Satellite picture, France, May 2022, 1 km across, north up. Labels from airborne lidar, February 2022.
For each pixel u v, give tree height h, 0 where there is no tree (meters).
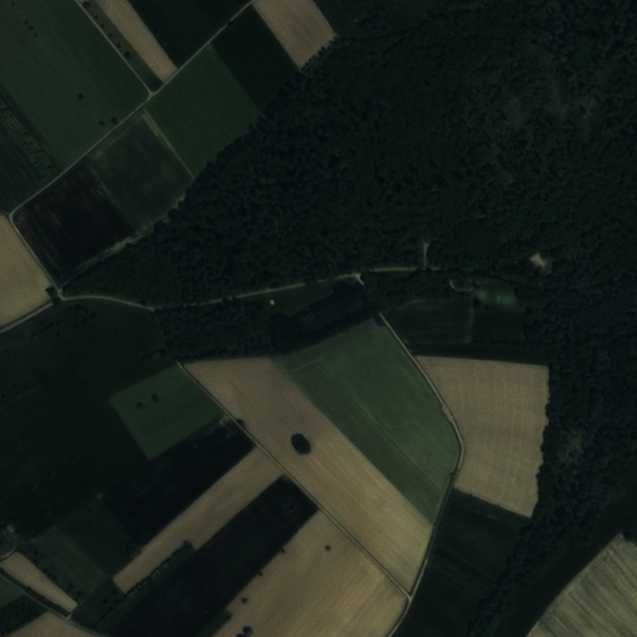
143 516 0
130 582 0
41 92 0
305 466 0
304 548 0
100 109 0
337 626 0
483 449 0
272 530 0
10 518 0
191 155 0
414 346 0
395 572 0
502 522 0
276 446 0
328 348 0
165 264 15
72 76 0
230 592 0
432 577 0
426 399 0
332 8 15
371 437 0
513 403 0
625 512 0
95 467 0
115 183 0
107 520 0
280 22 0
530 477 0
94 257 0
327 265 27
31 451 0
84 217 0
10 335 0
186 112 0
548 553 29
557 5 0
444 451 0
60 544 0
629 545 0
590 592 0
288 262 32
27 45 0
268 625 0
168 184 0
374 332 0
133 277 17
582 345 15
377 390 0
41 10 0
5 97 0
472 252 13
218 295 23
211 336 27
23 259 0
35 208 0
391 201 31
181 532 0
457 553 0
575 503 29
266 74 0
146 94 0
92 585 0
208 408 0
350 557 0
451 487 0
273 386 0
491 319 0
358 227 31
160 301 11
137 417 0
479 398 0
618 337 20
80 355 0
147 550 0
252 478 0
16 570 0
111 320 0
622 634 0
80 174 0
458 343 0
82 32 0
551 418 18
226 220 33
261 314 28
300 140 32
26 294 0
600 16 36
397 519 0
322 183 34
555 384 17
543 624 0
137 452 0
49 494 0
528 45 0
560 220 9
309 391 0
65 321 0
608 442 35
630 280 28
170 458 0
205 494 0
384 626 0
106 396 0
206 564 0
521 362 0
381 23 9
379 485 0
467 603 0
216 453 0
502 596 24
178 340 20
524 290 19
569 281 15
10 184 0
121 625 0
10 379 0
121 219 0
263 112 0
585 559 0
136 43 0
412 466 0
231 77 0
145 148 0
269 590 0
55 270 0
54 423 0
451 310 0
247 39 0
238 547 0
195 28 0
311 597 0
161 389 0
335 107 30
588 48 35
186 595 0
